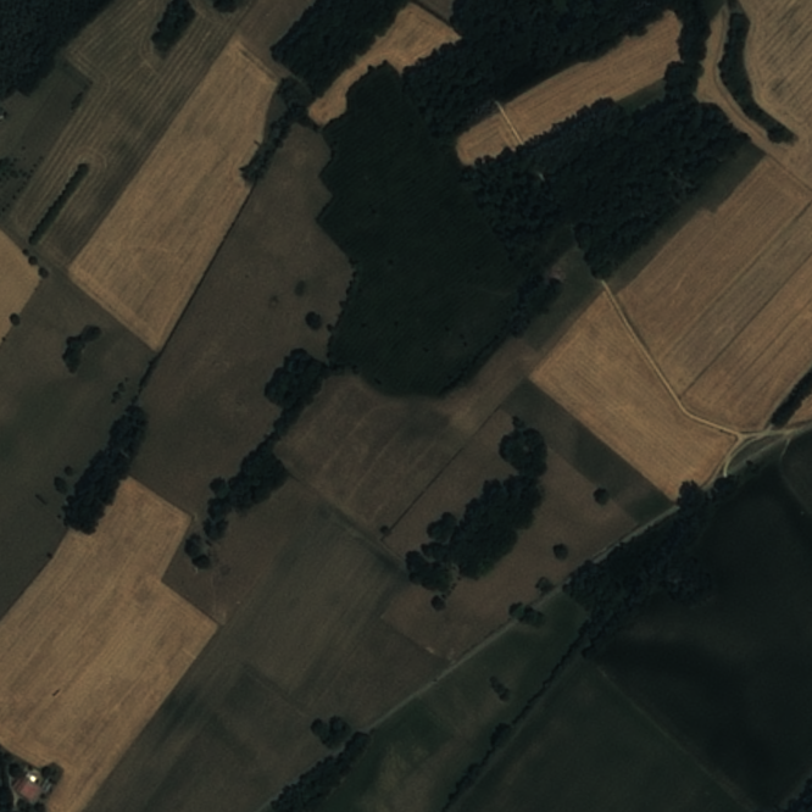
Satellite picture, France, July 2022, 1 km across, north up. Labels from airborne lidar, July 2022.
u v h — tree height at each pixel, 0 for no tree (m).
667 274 0
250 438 0
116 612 0
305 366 23
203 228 0
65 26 15
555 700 0
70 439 0
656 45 0
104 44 0
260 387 0
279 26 0
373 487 0
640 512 0
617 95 0
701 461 0
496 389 0
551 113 0
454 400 0
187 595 0
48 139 0
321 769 13
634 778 0
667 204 27
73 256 0
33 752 0
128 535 0
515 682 0
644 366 0
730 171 0
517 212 26
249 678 0
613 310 0
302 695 0
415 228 0
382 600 0
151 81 0
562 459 0
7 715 0
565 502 0
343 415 0
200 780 0
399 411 0
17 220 0
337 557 0
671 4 22
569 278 0
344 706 0
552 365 0
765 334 0
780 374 0
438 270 0
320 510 0
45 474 0
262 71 0
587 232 26
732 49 14
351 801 0
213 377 0
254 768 0
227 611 0
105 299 0
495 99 21
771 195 0
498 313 0
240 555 0
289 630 0
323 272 0
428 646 0
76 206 0
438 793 0
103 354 0
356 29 24
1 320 0
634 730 0
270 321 0
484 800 0
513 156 24
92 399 0
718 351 0
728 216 0
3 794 18
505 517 27
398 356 0
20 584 0
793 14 0
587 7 24
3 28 16
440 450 0
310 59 23
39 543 0
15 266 0
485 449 0
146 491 0
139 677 0
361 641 0
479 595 0
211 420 0
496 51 30
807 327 0
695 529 27
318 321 16
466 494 0
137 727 0
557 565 0
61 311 0
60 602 0
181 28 16
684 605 16
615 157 27
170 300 0
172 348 0
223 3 17
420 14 0
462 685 0
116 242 0
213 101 0
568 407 0
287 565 0
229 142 0
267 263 0
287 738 0
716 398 0
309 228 0
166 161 0
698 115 25
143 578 0
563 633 0
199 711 0
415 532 0
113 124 0
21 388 0
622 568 12
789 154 0
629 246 30
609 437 0
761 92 0
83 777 0
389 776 0
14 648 0
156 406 0
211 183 0
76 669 0
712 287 0
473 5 24
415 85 25
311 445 0
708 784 0
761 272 0
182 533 0
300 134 0
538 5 23
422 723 0
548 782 0
